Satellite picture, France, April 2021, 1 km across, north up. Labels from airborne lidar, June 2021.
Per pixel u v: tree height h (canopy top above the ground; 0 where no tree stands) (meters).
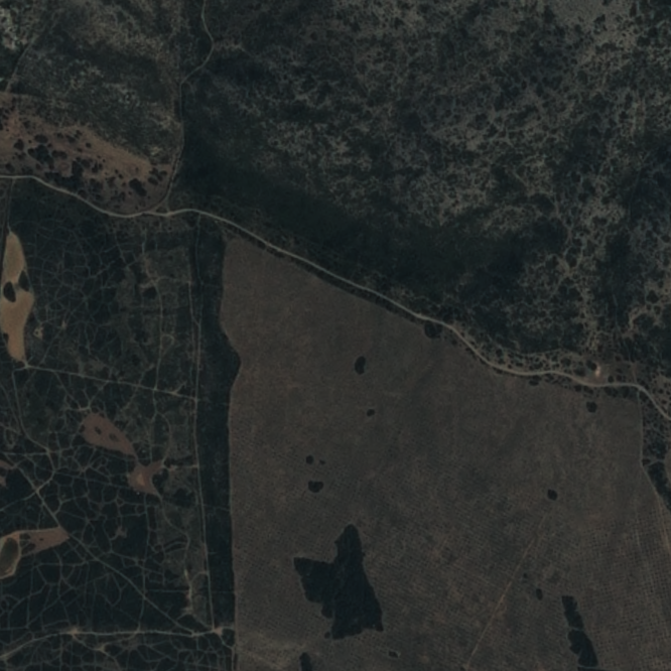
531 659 0
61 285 0
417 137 0
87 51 0
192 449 0
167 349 0
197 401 0
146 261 0
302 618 0
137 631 0
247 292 0
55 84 0
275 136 0
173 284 0
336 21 0
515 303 0
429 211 0
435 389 0
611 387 0
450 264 0
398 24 0
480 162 0
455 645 0
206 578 0
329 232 0
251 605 0
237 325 0
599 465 0
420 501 0
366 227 0
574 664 0
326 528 0
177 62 0
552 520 0
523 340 0
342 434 0
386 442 0
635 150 0
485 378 0
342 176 0
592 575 0
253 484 0
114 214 0
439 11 0
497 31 0
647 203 0
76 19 0
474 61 0
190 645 0
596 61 0
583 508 0
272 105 0
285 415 0
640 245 0
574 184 0
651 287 0
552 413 0
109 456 0
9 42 0
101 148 0
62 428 0
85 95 0
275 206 0
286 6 0
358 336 0
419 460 0
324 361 0
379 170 0
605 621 0
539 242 0
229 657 0
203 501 0
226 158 0
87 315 0
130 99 0
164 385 0
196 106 0
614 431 0
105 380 0
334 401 0
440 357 0
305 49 0
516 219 0
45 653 0
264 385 0
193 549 0
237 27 0
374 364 0
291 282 0
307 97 0
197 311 0
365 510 0
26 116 0
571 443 0
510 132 0
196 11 0
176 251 0
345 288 0
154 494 0
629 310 0
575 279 0
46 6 0
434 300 0
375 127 0
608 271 0
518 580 0
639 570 0
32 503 0
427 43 0
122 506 0
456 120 0
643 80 0
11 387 0
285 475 0
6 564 0
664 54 0
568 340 0
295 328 0
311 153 0
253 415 0
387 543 0
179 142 0
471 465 0
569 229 0
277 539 0
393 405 0
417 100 0
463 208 0
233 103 0
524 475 0
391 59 0
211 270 0
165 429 0
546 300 0
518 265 0
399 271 0
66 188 9
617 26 0
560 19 0
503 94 0
